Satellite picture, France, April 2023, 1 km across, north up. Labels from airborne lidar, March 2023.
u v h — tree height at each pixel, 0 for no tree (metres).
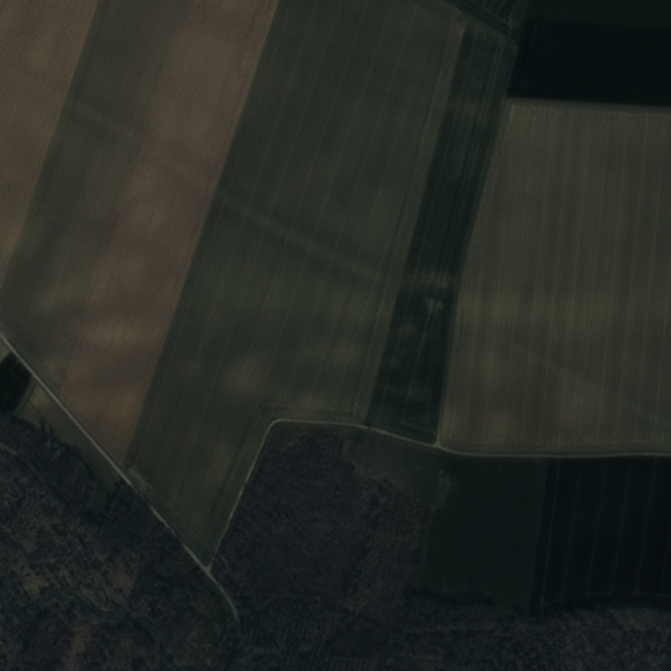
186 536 0
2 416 26
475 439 0
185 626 39
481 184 0
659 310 0
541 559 0
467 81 0
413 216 0
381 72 0
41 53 0
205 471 0
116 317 0
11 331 0
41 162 0
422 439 0
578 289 0
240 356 0
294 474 6
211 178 0
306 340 0
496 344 0
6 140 0
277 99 0
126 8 0
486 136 0
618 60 0
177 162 0
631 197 0
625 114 0
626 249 0
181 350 0
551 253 0
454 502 0
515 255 0
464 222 0
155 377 0
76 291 0
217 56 0
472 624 26
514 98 0
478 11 0
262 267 0
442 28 0
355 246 0
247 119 0
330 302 0
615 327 0
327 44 0
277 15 0
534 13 0
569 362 0
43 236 0
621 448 0
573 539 0
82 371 0
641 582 0
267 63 0
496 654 20
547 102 0
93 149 0
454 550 0
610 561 0
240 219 0
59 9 0
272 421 0
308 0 0
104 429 0
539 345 0
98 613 16
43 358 0
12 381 0
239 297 0
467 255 0
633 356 0
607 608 0
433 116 0
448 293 0
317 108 0
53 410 0
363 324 0
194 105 0
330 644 18
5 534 0
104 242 0
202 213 0
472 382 0
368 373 0
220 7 0
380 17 0
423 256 0
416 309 0
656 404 0
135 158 0
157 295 0
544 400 0
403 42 0
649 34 0
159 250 0
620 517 0
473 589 0
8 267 0
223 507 0
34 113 0
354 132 0
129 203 0
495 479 0
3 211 0
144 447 0
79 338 0
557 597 0
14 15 0
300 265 0
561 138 0
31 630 15
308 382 0
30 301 0
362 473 0
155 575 20
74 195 0
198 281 0
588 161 0
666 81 0
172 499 0
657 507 0
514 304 0
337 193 0
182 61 0
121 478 0
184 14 0
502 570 0
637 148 0
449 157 0
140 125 0
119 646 19
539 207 0
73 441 0
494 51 0
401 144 0
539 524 0
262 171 0
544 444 0
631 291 0
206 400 0
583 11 0
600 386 0
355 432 0
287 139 0
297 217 0
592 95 0
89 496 8
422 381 0
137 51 0
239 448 0
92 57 0
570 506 0
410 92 0
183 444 0
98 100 0
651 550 0
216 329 0
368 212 0
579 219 0
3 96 0
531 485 0
